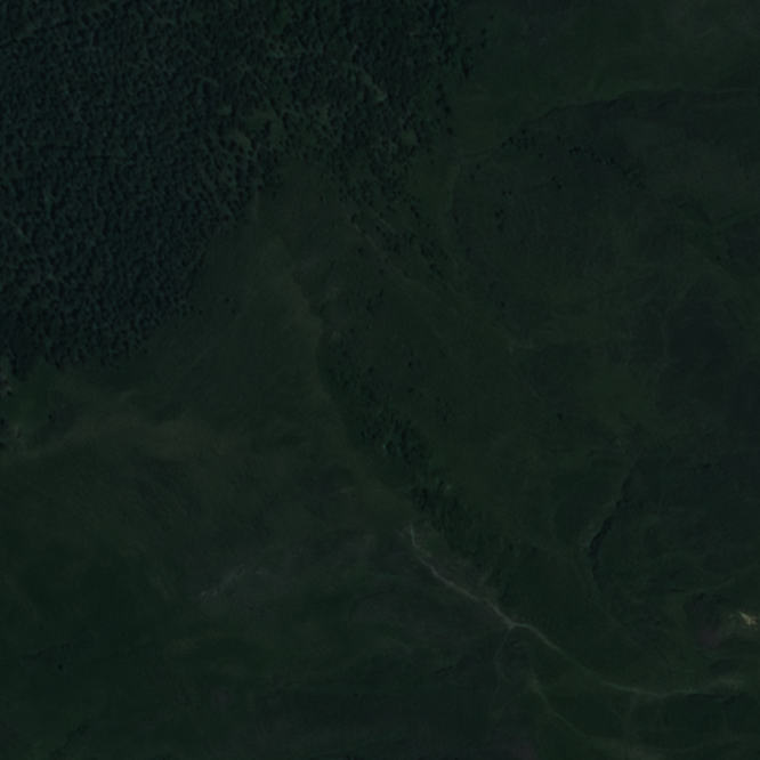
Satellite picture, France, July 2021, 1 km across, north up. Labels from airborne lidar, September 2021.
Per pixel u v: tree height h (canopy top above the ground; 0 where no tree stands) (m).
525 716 0
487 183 0
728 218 0
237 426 0
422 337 0
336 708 0
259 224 0
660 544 0
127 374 0
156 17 20
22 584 0
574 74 0
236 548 0
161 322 14
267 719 0
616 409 0
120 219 18
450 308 0
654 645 0
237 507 0
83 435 0
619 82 0
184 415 0
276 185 12
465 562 0
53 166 13
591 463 0
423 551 0
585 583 0
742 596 0
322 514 0
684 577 0
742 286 0
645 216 0
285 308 0
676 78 0
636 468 0
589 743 0
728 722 0
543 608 0
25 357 16
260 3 24
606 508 6
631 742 0
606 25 0
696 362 0
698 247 0
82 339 13
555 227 0
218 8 21
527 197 0
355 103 13
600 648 0
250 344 0
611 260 0
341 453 0
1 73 22
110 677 0
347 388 7
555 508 0
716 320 0
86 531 0
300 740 0
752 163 0
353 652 0
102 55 22
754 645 0
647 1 0
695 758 0
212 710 0
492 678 0
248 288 0
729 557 0
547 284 0
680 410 0
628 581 0
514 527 0
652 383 0
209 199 16
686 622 0
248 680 0
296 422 0
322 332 0
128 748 0
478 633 0
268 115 0
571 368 0
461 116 0
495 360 0
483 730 0
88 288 23
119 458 0
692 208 0
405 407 0
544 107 0
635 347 0
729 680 0
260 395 0
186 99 14
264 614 0
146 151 20
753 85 0
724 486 0
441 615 0
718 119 0
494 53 0
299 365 0
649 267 0
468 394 0
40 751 0
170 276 17
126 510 0
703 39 0
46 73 11
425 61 18
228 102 19
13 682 0
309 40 17
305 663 0
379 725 0
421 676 0
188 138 18
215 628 0
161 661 0
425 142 20
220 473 0
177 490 0
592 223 0
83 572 0
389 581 0
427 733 0
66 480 0
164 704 0
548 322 0
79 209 18
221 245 0
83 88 13
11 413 0
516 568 0
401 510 0
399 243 11
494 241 0
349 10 16
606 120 0
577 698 0
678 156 0
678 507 0
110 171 19
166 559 0
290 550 0
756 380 0
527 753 0
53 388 0
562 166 0
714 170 0
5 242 27
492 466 0
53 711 0
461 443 0
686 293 0
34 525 0
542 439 0
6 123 25
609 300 0
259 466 0
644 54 0
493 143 0
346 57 16
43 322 17
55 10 17
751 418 0
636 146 0
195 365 0
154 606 0
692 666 0
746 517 0
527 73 0
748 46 0
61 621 0
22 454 0
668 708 0
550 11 0
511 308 0
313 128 14
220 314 0
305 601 0
